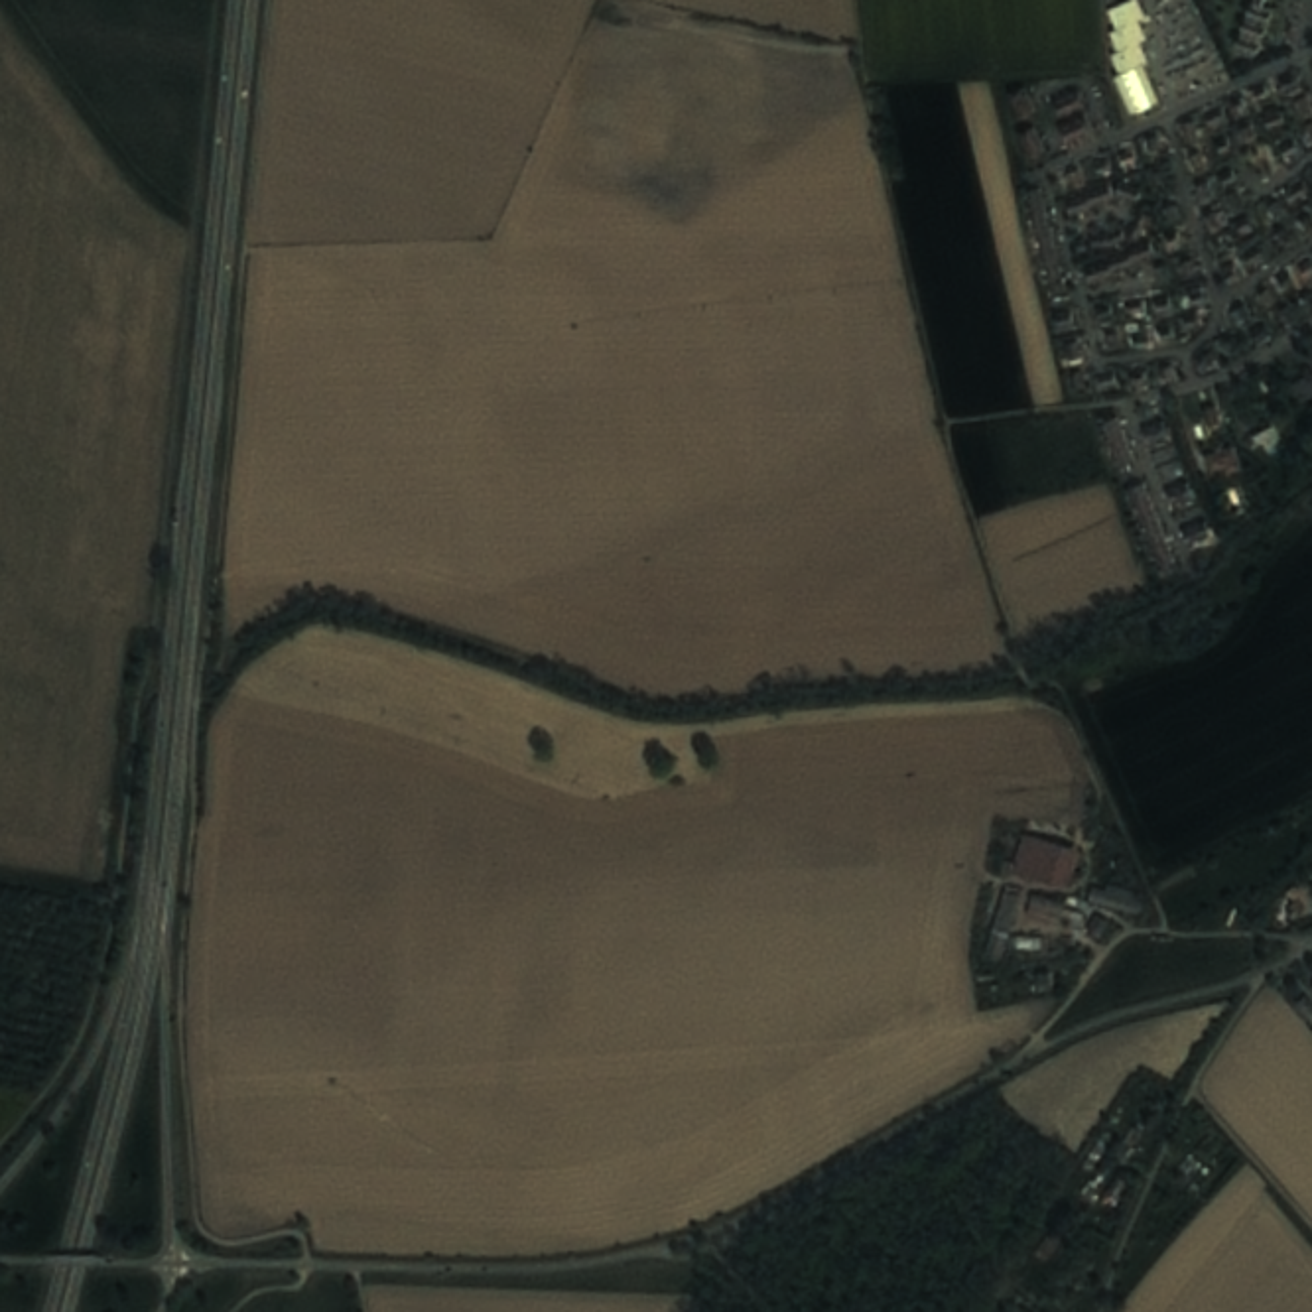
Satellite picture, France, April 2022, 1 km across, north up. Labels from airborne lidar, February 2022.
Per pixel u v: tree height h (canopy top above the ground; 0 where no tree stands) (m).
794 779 0
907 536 0
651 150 0
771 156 0
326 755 0
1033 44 0
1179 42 0
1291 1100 0
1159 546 0
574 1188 0
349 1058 0
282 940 0
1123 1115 0
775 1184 0
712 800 0
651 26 0
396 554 0
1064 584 0
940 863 0
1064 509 0
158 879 0
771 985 0
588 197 0
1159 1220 0
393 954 0
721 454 0
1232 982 0
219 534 0
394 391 0
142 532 0
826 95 0
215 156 0
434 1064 0
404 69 0
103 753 0
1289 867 9
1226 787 0
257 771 0
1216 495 7
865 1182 25
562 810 0
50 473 0
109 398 0
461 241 0
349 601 16
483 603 0
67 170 0
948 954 0
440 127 0
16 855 0
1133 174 6
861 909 0
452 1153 0
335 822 0
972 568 0
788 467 0
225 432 0
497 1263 0
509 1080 0
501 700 0
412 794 0
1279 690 0
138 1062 0
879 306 0
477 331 0
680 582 0
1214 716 0
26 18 0
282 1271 0
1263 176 7
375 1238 0
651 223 0
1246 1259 0
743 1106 0
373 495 0
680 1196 0
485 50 0
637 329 0
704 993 0
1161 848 0
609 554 0
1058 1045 0
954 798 0
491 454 0
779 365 0
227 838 0
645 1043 0
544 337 0
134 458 0
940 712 0
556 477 0
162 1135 0
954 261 0
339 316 0
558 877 0
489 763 0
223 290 0
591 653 0
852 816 0
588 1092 0
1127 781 0
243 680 0
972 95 0
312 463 0
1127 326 0
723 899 0
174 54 0
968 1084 0
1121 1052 0
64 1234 0
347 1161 0
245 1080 0
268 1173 0
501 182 0
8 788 0
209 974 0
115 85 0
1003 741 0
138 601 0
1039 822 0
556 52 0
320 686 0
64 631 0
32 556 0
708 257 0
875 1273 28
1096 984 0
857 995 0
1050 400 0
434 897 0
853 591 0
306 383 0
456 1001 0
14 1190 0
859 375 0
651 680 0
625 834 0
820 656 0
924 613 0
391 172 0
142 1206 0
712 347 0
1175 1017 0
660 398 0
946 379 0
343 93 0
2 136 0
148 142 0
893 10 0
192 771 0
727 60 0
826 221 0
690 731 0
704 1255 10
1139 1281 0
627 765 0
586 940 0
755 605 0
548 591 0
